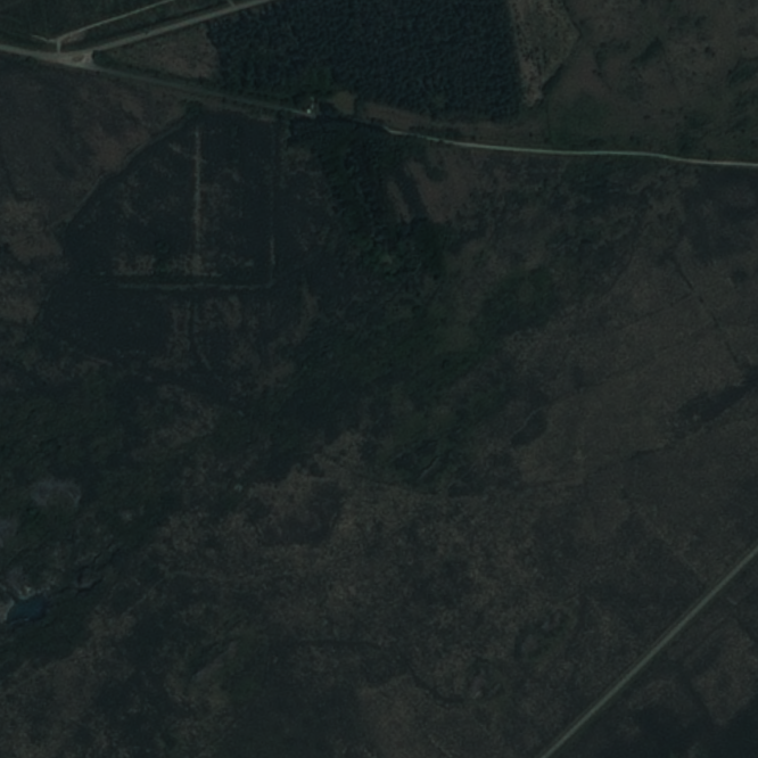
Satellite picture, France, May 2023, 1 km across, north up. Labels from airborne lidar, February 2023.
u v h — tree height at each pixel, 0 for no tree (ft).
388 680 0
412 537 0
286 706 0
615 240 0
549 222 0
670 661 0
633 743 0
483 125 0
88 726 0
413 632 0
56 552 0
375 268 20
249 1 0
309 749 0
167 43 0
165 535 0
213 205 0
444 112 24
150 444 0
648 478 0
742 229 0
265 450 0
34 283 0
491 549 0
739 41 0
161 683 0
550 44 0
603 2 0
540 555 0
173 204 0
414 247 39
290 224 0
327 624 0
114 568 0
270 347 0
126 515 0
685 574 0
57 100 0
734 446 0
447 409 0
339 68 85
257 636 0
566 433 0
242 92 32
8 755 0
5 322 19
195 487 0
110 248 0
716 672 0
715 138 0
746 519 0
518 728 0
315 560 0
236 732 0
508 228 0
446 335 0
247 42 64
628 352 0
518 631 0
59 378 0
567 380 0
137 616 0
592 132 0
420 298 20
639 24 0
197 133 0
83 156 0
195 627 0
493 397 0
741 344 0
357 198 71
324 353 25
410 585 0
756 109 0
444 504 0
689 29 0
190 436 0
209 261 0
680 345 0
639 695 0
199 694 0
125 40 0
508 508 0
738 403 0
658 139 0
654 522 0
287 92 24
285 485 0
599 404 0
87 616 0
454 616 0
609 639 0
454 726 0
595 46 0
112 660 0
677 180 0
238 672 0
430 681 0
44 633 0
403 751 0
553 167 0
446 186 0
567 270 0
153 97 0
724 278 0
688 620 0
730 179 0
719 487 0
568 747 0
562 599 0
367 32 66
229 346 0
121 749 0
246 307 0
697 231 0
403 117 0
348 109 0
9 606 0
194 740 0
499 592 0
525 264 0
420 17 57
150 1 0
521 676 0
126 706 0
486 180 0
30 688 0
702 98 0
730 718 0
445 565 0
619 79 0
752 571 0
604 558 0
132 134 0
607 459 0
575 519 0
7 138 0
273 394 0
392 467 0
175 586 0
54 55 0
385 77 67
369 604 0
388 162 57
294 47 65
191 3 0
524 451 0
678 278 0
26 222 0
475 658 0
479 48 76
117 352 0
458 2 71
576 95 0
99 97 0
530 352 0
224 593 0
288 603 0
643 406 0
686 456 0
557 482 0
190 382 0
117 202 0
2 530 0
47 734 0
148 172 0
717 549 0
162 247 29
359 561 0
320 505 0
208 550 0
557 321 0
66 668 0
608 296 0
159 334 0
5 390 0
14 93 0
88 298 0
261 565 0
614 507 0
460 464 0
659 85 0
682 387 0
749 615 0
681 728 0
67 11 0
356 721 0
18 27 0
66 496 0
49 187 0
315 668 0
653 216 0
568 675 0
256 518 0
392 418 0
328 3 63
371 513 0
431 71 38
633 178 0
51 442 19
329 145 76
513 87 95
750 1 0
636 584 0
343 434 0
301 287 22
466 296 0
